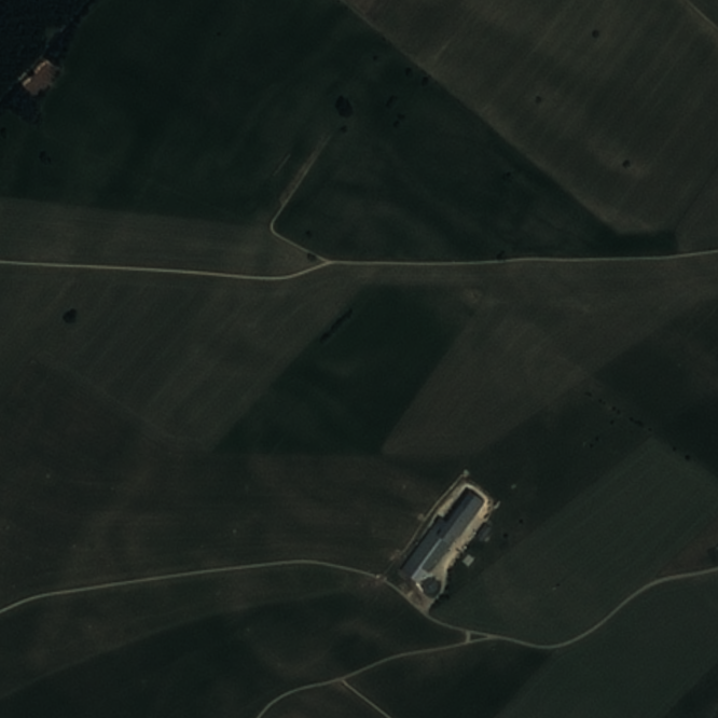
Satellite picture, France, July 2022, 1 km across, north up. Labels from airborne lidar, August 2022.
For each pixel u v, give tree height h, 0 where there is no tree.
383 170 0
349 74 0
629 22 0
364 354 0
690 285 0
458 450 0
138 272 0
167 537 0
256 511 0
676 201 0
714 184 0
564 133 0
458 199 0
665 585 0
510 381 0
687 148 0
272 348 0
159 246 0
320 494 0
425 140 0
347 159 0
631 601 0
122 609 0
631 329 0
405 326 0
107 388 0
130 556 0
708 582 0
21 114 18
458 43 0
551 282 0
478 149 0
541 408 0
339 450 0
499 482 0
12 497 0
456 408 0
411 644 0
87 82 0
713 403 0
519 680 0
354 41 0
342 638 0
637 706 0
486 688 0
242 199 0
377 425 0
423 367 0
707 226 0
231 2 0
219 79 0
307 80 0
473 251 0
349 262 0
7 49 12
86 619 0
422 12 0
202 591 0
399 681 0
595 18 0
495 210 0
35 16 12
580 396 0
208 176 0
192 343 0
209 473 0
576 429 0
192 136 0
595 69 0
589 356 0
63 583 0
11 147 0
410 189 0
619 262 0
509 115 0
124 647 0
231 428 0
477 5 0
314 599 0
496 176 0
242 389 0
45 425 0
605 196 0
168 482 0
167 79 0
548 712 0
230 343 0
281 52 0
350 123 0
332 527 0
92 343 0
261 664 0
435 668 0
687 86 0
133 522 0
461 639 0
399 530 0
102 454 0
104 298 0
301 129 0
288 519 0
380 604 0
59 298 0
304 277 0
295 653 0
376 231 0
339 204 0
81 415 0
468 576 0
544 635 0
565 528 0
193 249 0
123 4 0
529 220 0
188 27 0
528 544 0
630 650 0
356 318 0
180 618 0
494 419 0
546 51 0
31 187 0
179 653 0
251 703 0
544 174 0
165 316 0
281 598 0
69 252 0
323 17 0
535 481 0
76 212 0
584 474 0
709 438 0
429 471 0
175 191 0
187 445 0
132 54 0
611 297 0
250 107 0
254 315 0
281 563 0
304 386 0
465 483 0
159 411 0
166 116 0
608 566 0
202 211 0
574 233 0
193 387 0
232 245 0
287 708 0
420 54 0
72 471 0
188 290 0
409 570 0
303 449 0
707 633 0
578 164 0
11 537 0
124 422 0
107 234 0
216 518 0
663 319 0
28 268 0
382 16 0
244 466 0
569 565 0
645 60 0
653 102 0
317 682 0
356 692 0
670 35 0
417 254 0
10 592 0
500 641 0
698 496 0
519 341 0
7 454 0
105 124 0
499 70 0
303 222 0
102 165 0
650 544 0
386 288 0
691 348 0
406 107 0
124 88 0
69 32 15
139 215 0
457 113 0
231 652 0
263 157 0
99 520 0
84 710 0
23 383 0
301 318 0
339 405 0
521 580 0
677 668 0
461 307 0
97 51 0
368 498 0
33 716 0
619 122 0
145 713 0
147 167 0
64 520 0
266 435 0
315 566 0
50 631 0
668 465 0
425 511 0
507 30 0
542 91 0
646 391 0
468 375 0
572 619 0
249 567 0
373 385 0
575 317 0
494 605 0
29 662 0
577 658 0
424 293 0
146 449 0
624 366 0
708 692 0
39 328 0
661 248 0
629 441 0
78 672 0
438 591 0
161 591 0
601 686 0
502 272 0
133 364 0
